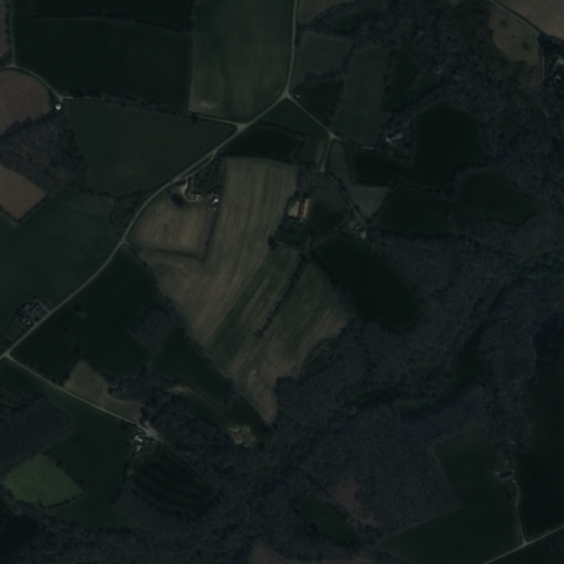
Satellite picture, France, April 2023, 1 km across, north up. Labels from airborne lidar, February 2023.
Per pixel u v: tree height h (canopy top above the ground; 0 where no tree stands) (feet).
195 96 0
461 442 0
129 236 0
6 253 0
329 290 0
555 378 0
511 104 39
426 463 55
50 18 21
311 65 0
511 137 0
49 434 68
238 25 0
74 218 0
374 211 0
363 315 0
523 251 60
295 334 0
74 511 0
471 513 0
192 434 89
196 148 0
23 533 0
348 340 63
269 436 69
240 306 0
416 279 43
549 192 73
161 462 0
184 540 53
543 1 0
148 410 47
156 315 74
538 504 0
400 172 0
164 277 0
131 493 47
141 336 63
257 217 0
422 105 31
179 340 0
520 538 0
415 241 70
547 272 50
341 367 52
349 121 0
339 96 51
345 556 82
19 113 0
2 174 0
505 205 0
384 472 56
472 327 23
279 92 0
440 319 74
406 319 0
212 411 0
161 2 0
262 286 0
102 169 0
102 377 40
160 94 0
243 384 0
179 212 0
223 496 56
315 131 0
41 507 54
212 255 0
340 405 40
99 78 0
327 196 31
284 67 0
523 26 0
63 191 0
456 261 40
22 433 68
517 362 47
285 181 0
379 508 40
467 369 0
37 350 0
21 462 61
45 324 0
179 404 58
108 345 0
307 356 0
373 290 0
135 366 0
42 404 61
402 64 0
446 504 48
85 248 0
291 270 0
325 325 0
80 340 0
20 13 0
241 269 0
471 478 0
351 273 0
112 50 0
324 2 0
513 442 19
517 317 64
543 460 0
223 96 0
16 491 0
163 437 0
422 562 0
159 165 0
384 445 62
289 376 0
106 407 0
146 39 0
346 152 22
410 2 53
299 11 0
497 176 0
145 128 0
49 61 0
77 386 0
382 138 24
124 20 48
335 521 0
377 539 54
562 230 68
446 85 71
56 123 58
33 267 0
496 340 71
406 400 73
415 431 69
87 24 0
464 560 0
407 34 0
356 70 0
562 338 92
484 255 66
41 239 0
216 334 0
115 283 0
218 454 53
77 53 0
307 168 34
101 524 0
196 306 0
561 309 48
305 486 61
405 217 0
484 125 46
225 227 0
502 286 20
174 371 0
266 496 70
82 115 0
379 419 69
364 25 89
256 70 0
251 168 0
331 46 0
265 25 0
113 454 0
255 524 46
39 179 57
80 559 30
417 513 46
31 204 0
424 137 0
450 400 0
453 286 68
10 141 62
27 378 0
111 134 0
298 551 69
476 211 0
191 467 39
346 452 49
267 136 0
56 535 21
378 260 0
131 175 0
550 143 0
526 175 68
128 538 60
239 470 36
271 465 25
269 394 0
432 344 68
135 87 0
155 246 0
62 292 0
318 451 65
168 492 0
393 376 65
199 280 0
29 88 0
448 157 0
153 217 0
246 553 53
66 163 62
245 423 0
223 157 26
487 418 50
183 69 0
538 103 0
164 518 49
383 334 50
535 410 0
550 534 0
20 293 0
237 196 0
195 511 0
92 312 0
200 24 0
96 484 0
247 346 0
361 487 31
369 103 0
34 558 67
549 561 0
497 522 0
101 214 0
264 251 0
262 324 0
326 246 0
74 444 0
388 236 49
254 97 0
